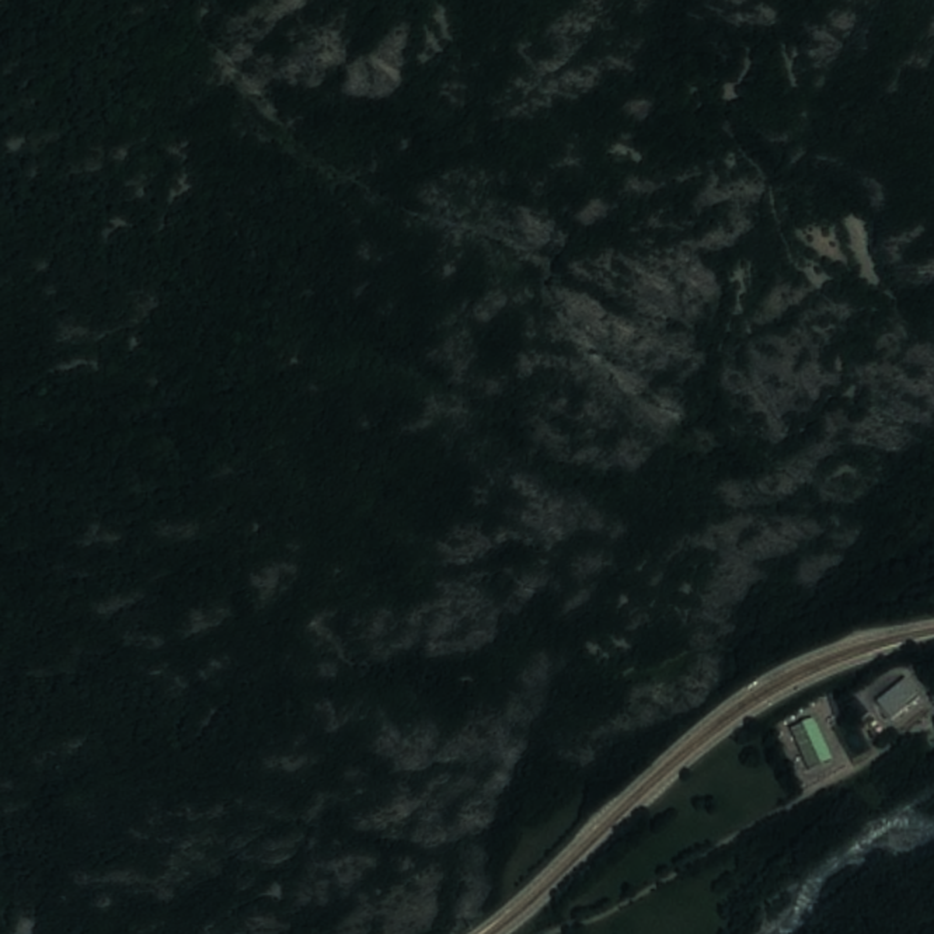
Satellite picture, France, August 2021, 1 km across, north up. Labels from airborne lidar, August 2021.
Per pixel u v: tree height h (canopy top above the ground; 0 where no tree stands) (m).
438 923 16
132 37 20
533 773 18
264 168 23
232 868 15
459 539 6
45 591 25
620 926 0
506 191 12
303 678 7
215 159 18
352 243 13
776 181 11
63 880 15
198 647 17
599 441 11
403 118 10
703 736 0
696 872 13
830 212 10
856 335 8
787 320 8
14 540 20
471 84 14
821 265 6
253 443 24
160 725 24
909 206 15
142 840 6
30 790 17
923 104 19
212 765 19
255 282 22
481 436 7
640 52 9
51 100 13
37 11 12
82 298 11
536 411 10
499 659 19
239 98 13
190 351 23
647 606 7
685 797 0
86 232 19
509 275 10
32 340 17
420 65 15
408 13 11
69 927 14
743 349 8
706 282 0
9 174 16
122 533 14
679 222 11
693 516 8
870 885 17
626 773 21
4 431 17
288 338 7
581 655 11
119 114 29
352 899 7
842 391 7
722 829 0
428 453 17
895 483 17
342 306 13
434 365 14
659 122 20
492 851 19
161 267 19
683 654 18
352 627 7
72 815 15
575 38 6
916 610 22
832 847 11
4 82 7
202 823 11
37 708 17
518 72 7
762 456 12
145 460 16
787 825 16
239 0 10
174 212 14
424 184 7
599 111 13
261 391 27
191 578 19
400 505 21
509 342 12
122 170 15
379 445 22
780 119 17
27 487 24
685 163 13
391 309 7
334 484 21
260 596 7
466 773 7
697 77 23
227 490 17
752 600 18
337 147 16
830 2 12
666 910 0
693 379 12
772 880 16
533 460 8
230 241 12
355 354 13
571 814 0
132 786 16
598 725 8
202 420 18
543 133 11
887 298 12
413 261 9
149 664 10
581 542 13
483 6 19
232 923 13
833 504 9
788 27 13
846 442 30
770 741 10
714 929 0
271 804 9
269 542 21
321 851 9
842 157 11
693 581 10
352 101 11
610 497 11
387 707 11
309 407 10
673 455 9
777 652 19
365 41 13
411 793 8
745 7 7
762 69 18
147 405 27
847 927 17
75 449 20
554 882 0
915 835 0
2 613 19
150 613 17
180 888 14
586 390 6
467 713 14
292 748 8
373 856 6
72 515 21
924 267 8
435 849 7
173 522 11
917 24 10
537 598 17
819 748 0
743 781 0
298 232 20
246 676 17
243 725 22
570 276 6
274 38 13
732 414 10
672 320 11
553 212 10
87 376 16
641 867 0
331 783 19
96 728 27
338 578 11
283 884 10
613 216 17
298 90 13
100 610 10
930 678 19
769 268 13
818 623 25
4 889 24
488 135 18
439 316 10
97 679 25
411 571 18
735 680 14
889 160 17
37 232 16
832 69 7
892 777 16
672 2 14
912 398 6
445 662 20
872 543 19
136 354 10
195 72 22
